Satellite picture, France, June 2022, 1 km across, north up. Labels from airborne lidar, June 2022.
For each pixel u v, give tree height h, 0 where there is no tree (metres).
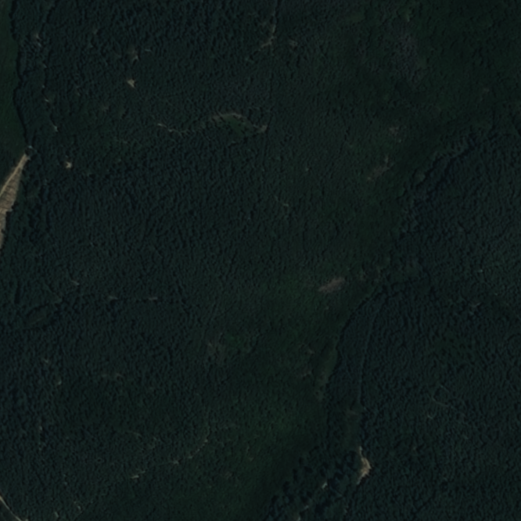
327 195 34
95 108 14
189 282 23
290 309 15
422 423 22
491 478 18
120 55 24
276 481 18
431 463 17
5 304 31
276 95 21
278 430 14
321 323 21
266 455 15
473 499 23
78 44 28
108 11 28
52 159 25
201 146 21
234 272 24
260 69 23
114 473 22
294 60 6
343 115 18
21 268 32
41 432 7
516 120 24
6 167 25
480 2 22
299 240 26
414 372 28
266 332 14
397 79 12
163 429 12
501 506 14
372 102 25
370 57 21
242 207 25
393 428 24
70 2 25
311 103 25
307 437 18
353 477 44
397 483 24
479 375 20
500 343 22
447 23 28
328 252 29
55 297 31
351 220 22
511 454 24
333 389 23
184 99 18
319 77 14
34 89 37
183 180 20
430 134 23
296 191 24
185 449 22
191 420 21
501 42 16
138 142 10
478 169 24
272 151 24
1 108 8
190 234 29
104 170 20
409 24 19
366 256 24
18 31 32
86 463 21
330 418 19
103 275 18
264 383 26
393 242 20
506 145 32
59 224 26
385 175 12
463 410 24
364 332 23
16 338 33
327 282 11
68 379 13
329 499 10
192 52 21
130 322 22
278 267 18
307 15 16
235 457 13
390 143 15
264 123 22
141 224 23
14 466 26
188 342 24
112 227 23
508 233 23
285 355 21
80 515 10
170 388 23
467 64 19
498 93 26
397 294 12
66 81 19
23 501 22
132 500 14
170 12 9
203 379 23
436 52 14
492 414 26
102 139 15
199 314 24
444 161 24
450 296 20
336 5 17
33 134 23
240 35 14
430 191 23
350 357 24
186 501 12
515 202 26
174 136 24
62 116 14
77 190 25
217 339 18
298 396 19
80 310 33
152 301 24
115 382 8
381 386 15
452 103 13
